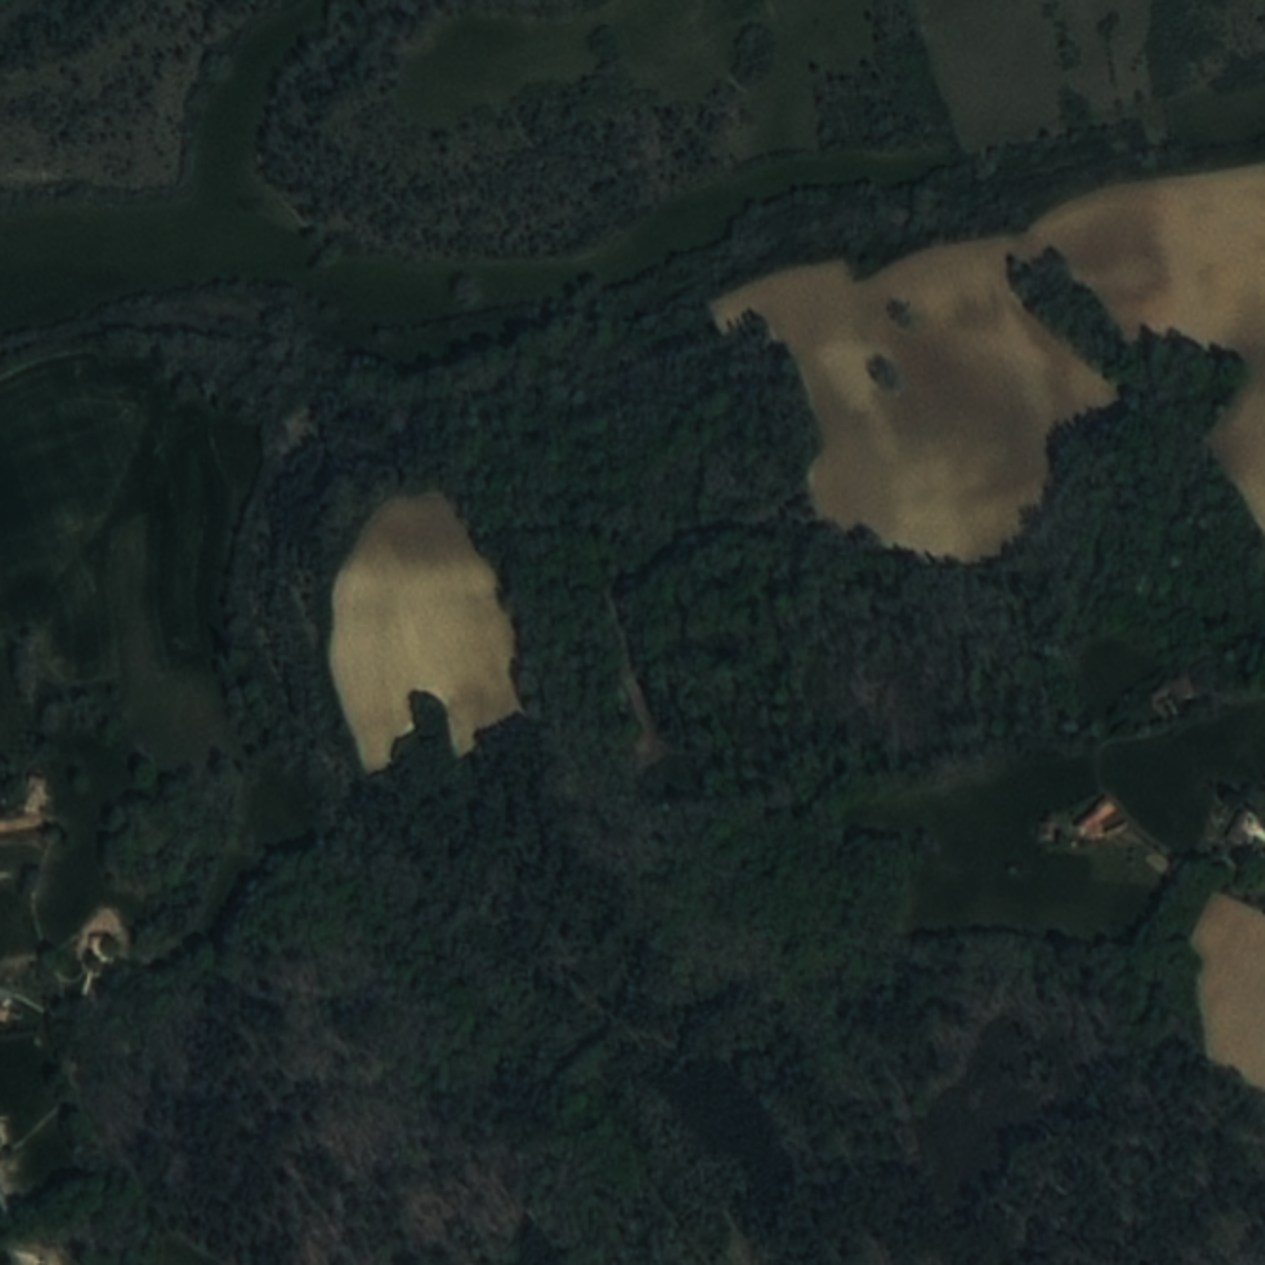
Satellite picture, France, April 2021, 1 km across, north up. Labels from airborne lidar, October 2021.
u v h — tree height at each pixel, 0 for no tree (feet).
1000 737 64
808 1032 75
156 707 0
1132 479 81
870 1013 47
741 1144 42
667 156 33
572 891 54
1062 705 75
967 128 0
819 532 43
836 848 53
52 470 0
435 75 0
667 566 53
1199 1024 41
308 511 55
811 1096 87
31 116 26
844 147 26
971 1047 33
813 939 71
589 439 71
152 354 22
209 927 0
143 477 0
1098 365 66
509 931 33
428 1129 38
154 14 39
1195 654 57
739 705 19
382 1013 75
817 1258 70
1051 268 48
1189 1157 98
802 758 76
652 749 0
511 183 29
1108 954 60
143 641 0
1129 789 0
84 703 59
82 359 0
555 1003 78
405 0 39
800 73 0
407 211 27
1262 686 60
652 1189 38
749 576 60
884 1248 97
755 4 29
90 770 0
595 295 53
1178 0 27
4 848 0
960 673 62
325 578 28
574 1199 63
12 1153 32
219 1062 73
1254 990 0
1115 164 30
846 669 26
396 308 0
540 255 38
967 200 31
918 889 0
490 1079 24
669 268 29
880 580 26
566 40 0
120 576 0
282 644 28
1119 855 0
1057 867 0
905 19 35
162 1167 82
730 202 0
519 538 73
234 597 18
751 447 96
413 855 60
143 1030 68
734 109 32
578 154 27
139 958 50
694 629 100
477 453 85
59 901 0
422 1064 69
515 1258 61
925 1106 55
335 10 43
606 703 85
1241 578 73
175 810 72
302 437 0
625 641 62
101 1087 67
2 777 39
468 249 27
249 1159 62
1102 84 0
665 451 58
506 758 73
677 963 69
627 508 65
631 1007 29
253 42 0
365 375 62
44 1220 84
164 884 63
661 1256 54
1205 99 0
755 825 67
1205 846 0
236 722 54
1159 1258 89
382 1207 60
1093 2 0
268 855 31
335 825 38
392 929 60
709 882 83
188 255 0
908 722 18
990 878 0
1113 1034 42
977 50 0
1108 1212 90
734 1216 24
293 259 0
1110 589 61
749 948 81
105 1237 53
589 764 70
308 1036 46
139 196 28
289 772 39
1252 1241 38
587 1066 63
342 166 35
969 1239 88
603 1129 72
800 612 84
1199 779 0
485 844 70
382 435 56
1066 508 67
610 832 70
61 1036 48
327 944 54
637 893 68
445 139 38
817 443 35
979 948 57
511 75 0
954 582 59
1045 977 51
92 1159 52
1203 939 0
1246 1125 87
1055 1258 93
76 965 0
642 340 28
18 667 50
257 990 45
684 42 0
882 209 66
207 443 0
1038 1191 85
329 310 31
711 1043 76
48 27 55
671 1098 47
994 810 0
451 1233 38
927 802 0
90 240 0
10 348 29
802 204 23
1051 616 68
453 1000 78
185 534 0
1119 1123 94
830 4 0
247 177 0
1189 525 69
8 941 0
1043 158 19
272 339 35
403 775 40
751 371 52
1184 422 51
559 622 92
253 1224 43
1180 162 44
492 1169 35
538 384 52
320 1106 91
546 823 76
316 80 29
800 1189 90
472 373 93
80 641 0
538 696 26
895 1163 75
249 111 0
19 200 32
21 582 0
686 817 77
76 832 0
